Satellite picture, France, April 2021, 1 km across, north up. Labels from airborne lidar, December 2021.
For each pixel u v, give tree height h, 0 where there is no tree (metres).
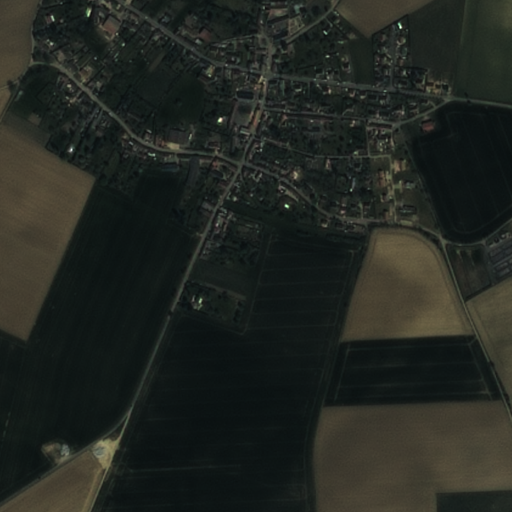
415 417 0
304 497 0
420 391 0
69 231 0
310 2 0
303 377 0
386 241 0
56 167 0
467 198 0
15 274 0
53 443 0
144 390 0
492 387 0
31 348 0
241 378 0
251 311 0
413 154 0
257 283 0
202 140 0
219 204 0
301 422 0
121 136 7
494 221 0
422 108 0
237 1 0
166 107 0
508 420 0
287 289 0
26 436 0
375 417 0
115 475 0
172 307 0
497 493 0
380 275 0
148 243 0
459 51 0
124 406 0
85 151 9
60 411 0
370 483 0
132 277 0
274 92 0
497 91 0
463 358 0
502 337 0
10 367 0
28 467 0
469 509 0
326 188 9
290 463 0
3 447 0
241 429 0
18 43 0
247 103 0
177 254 0
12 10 0
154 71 0
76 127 7
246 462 0
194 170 0
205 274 0
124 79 10
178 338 0
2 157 0
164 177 0
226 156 0
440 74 0
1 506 0
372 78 0
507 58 0
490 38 0
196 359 0
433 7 0
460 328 0
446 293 0
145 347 0
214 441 0
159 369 0
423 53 0
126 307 0
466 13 0
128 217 0
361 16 0
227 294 8
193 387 0
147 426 0
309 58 15
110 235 0
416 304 0
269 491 0
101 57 0
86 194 0
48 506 0
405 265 0
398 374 0
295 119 8
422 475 0
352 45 0
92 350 0
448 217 0
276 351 0
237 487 0
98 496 0
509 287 0
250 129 0
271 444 0
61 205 0
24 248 0
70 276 0
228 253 9
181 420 0
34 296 0
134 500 0
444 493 0
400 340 0
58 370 0
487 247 0
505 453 0
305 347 0
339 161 9
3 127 0
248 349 0
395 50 0
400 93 11
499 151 0
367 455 0
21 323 0
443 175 0
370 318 0
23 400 0
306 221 0
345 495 0
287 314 0
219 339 0
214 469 0
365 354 0
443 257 0
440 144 0
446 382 0
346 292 0
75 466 0
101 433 0
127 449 0
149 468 0
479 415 0
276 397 0
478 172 0
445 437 0
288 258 0
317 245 0
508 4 0
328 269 0
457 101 0
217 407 0
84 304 0
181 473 0
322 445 0
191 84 0
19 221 0
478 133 0
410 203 0
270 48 0
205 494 0
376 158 0
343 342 0
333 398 0
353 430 0
